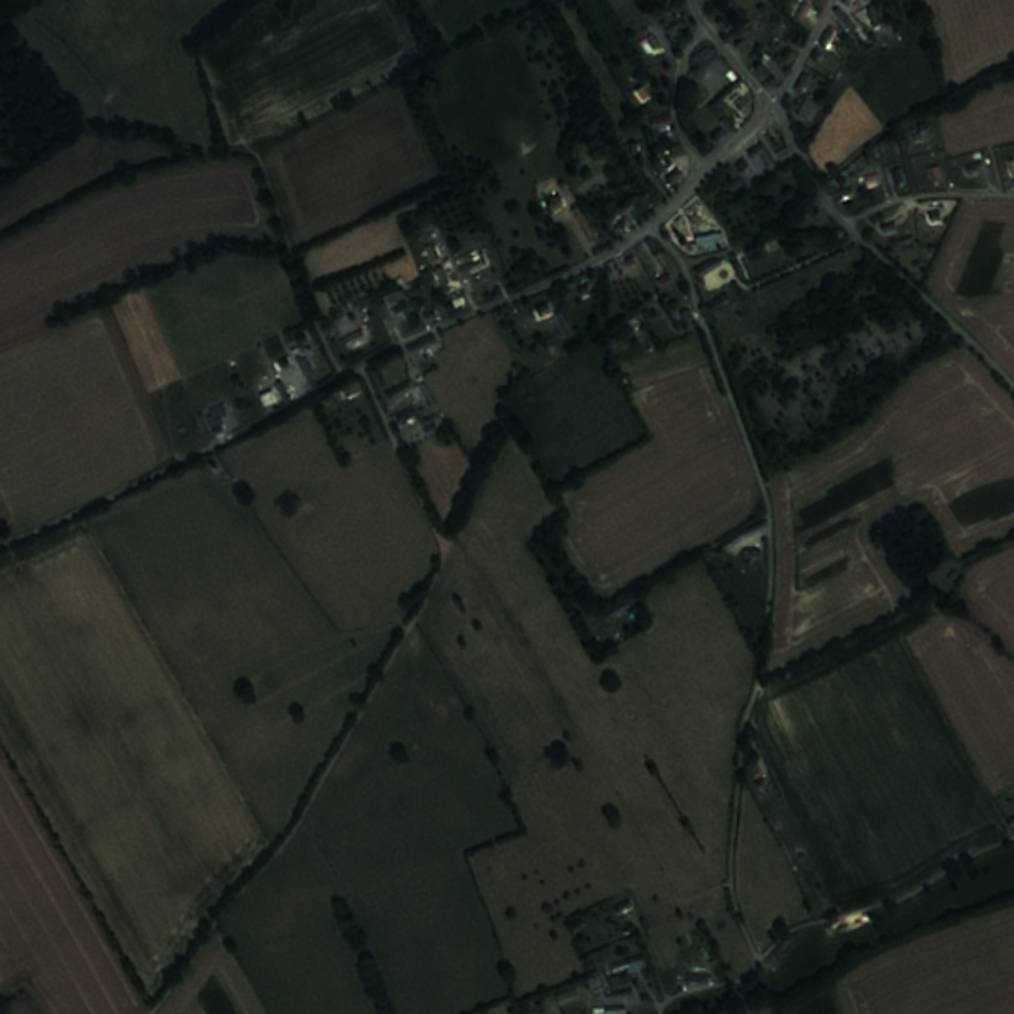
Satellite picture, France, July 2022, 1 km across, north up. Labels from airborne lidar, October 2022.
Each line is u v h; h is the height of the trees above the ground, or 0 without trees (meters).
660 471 0
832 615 0
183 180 0
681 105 19
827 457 0
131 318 0
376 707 0
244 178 0
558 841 0
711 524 0
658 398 0
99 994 0
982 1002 0
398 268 0
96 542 0
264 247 14
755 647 10
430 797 0
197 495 0
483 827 0
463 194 8
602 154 14
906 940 0
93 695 0
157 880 0
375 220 11
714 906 0
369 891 0
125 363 0
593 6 0
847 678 0
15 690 0
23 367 0
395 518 0
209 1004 0
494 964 0
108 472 0
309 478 0
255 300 0
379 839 0
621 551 0
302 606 0
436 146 18
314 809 0
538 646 0
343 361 8
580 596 19
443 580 0
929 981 0
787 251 13
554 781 0
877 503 0
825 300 9
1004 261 0
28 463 0
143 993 11
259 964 0
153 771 0
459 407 0
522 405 0
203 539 0
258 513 0
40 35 0
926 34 7
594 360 0
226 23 16
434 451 0
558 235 16
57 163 0
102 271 0
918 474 0
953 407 0
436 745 0
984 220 0
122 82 0
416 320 12
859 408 6
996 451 0
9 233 8
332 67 0
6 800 0
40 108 21
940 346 11
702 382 0
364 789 0
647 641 0
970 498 0
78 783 0
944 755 0
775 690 0
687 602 0
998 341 0
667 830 0
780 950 0
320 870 0
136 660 0
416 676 0
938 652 0
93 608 0
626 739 0
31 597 0
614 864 0
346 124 0
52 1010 0
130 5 0
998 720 0
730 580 0
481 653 0
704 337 25
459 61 0
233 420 0
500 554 0
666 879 0
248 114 0
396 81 14
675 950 0
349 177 0
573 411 0
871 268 11
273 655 0
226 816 0
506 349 0
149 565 0
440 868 0
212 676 0
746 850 0
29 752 0
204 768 0
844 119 0
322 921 0
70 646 0
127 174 22
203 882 0
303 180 0
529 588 0
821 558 0
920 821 0
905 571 13
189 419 0
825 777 0
